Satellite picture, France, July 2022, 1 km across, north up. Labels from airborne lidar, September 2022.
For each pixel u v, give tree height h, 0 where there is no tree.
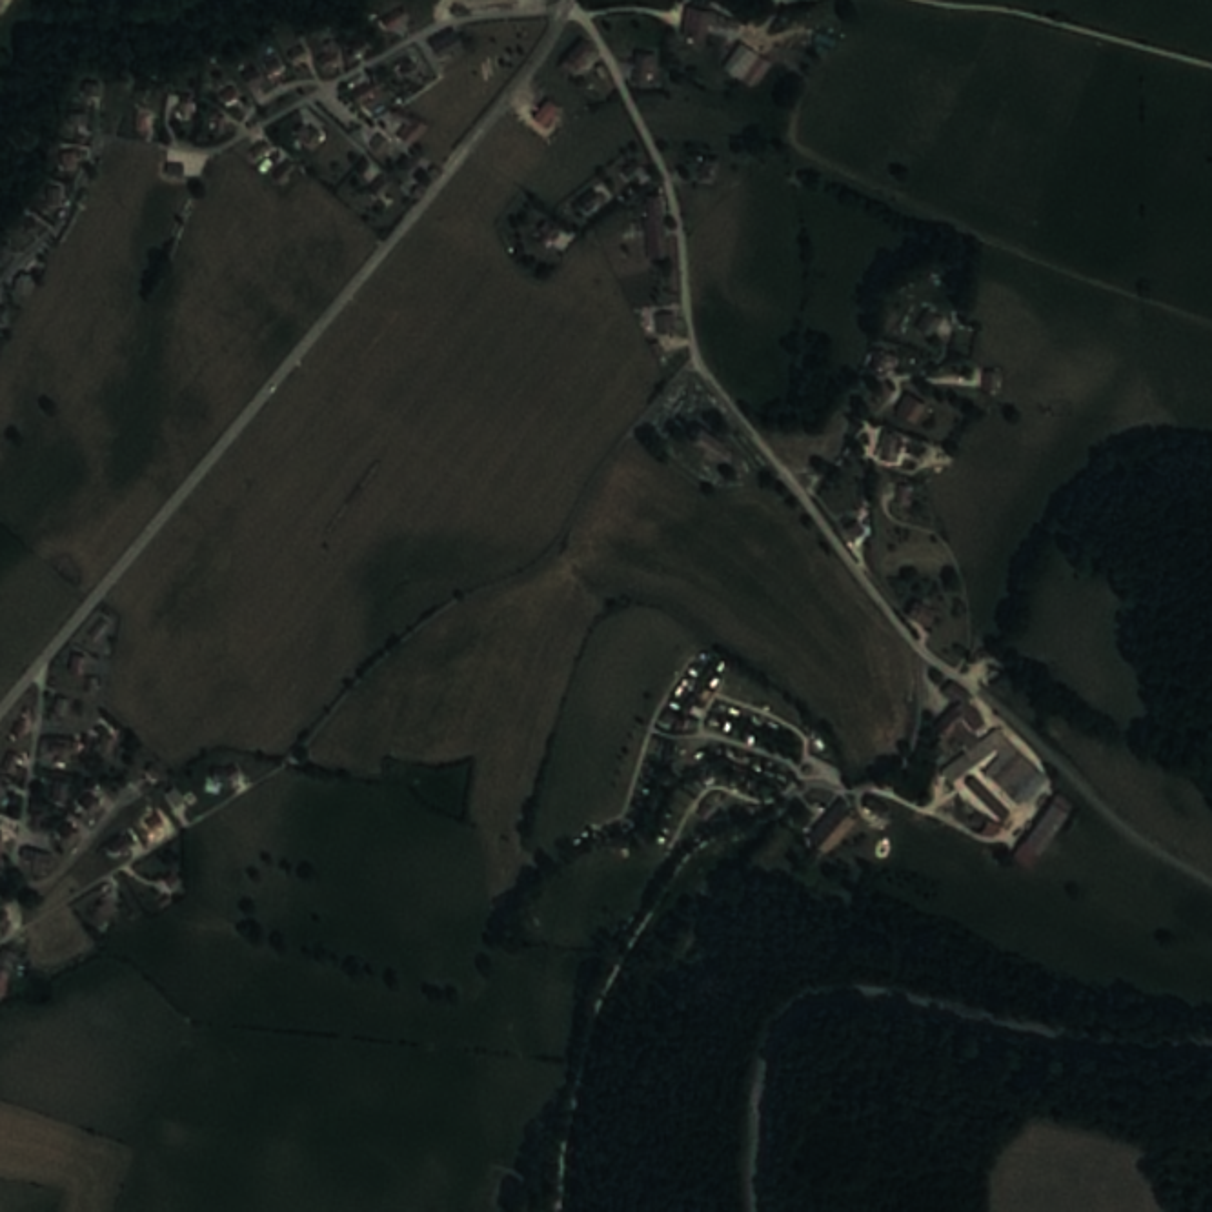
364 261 0
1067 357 0
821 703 0
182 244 0
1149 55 0
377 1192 0
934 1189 12
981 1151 17
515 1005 0
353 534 0
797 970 20
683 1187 21
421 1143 0
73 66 17
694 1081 21
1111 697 0
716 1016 19
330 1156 0
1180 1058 34
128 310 0
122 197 0
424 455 0
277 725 0
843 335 0
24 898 17
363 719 0
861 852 0
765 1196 14
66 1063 0
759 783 20
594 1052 17
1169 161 0
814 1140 11
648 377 0
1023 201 0
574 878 0
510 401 0
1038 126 0
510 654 0
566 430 0
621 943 12
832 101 0
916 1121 17
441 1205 0
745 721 10
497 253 0
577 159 0
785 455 0
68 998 0
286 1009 0
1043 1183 0
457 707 0
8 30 0
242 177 0
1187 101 0
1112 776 0
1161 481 27
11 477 0
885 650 0
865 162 0
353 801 0
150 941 0
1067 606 0
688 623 0
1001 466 0
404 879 0
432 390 0
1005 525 0
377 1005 0
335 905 0
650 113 0
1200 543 26
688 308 0
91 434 0
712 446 0
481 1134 0
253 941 15
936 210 0
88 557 0
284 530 0
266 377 0
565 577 0
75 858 0
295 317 0
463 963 0
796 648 0
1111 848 0
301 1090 0
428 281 0
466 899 0
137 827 0
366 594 0
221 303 0
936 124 0
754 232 0
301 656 0
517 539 0
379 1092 0
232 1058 0
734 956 22
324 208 0
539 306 0
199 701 0
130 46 28
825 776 0
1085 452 0
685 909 11
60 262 0
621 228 0
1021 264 0
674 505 0
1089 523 22
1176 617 24
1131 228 0
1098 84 0
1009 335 0
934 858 0
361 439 0
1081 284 0
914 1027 30
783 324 0
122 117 0
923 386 16
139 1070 0
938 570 0
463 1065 0
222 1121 0
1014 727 0
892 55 0
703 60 0
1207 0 0
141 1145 0
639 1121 22
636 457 0
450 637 0
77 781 5
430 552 0
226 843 0
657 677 0
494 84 0
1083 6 0
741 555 0
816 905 24
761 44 0
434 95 0
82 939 0
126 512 0
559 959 0
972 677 0
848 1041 22
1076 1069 32
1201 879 0
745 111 0
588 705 0
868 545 7
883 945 30
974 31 0
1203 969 0
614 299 0
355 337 0
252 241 0
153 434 0
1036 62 0
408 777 0
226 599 0
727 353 0
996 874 0
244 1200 0
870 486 15
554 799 0
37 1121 0
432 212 0
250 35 18
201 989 0
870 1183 14
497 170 0
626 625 0
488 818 0
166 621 0
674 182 0
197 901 0
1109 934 0
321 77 0
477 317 0
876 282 19
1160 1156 12
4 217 20
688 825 0
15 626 0
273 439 0
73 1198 0
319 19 19
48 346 0
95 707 0
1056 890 0
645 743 0
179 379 0
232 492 0
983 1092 20
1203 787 23
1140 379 0
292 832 0
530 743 0
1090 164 0
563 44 0
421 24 0
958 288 20
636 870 0
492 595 0
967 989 14
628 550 0
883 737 0
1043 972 6
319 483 0
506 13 0
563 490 0
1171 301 0
